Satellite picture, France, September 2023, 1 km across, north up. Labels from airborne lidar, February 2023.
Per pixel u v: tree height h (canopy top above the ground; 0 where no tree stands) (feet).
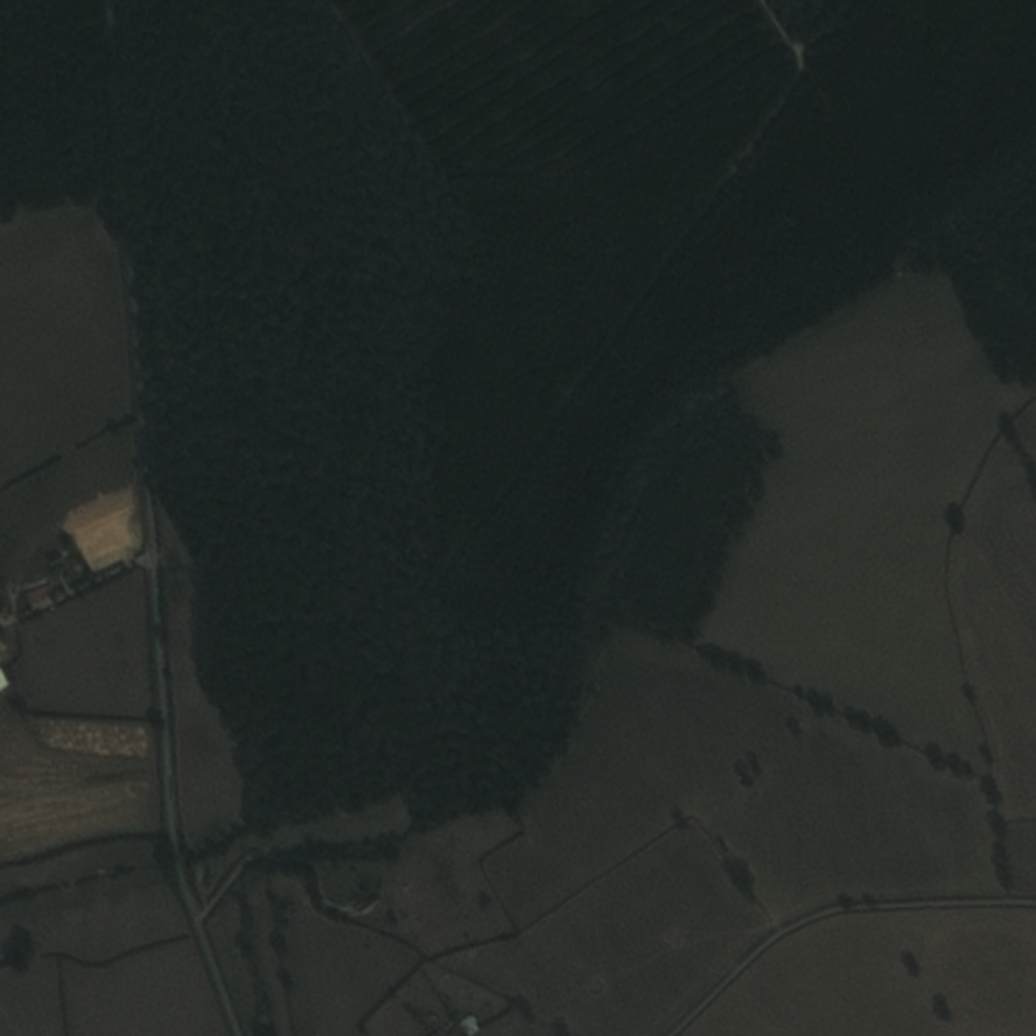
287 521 106
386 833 0
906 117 52
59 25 75
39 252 0
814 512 0
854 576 0
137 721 0
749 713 0
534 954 0
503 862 0
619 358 50
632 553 82
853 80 38
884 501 0
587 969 0
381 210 104
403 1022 0
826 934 0
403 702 82
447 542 20
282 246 113
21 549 0
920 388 0
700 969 0
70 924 0
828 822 0
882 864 0
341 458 116
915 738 0
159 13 91
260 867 23
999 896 0
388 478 113
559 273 49
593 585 69
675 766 0
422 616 106
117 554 0
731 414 72
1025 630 0
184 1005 0
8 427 0
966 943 0
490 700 84
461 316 48
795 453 0
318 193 117
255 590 98
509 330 24
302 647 99
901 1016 0
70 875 0
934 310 0
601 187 25
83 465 0
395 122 101
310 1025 0
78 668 0
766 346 48
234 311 106
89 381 0
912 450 0
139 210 77
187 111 95
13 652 0
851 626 0
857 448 0
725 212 46
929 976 0
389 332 121
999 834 47
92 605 0
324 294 47
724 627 0
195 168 96
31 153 82
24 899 27
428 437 106
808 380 0
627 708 0
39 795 0
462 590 41
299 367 103
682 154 36
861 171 41
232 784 0
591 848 0
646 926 0
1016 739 0
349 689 94
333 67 49
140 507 0
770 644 0
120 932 0
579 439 35
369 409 122
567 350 37
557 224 24
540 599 62
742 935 0
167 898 0
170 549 0
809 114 30
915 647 0
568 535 52
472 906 0
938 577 0
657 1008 0
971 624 0
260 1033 54
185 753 0
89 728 0
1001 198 85
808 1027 0
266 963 0
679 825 44
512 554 51
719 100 20
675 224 34
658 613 67
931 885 0
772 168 37
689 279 34
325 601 120
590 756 0
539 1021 0
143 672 0
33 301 0
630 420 31
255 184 113
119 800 0
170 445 77
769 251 43
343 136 114
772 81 39
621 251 31
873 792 0
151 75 85
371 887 0
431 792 82
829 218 40
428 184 101
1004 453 0
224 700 83
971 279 77
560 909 0
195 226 107
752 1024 0
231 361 82
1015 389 0
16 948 45
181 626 0
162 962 0
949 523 38
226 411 104
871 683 0
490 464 52
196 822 0
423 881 0
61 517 0
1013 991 0
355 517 121
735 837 0
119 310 0
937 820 0
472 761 77
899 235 20
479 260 34
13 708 24
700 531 59
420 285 109
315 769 70
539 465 52
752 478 62
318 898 36
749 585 0
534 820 0
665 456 65
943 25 19
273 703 81
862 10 43
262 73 115
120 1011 0
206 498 99
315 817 29
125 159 71
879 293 0
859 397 0
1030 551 0
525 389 30
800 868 0
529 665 49
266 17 106
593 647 62
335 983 0
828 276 47
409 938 0
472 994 0
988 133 30
